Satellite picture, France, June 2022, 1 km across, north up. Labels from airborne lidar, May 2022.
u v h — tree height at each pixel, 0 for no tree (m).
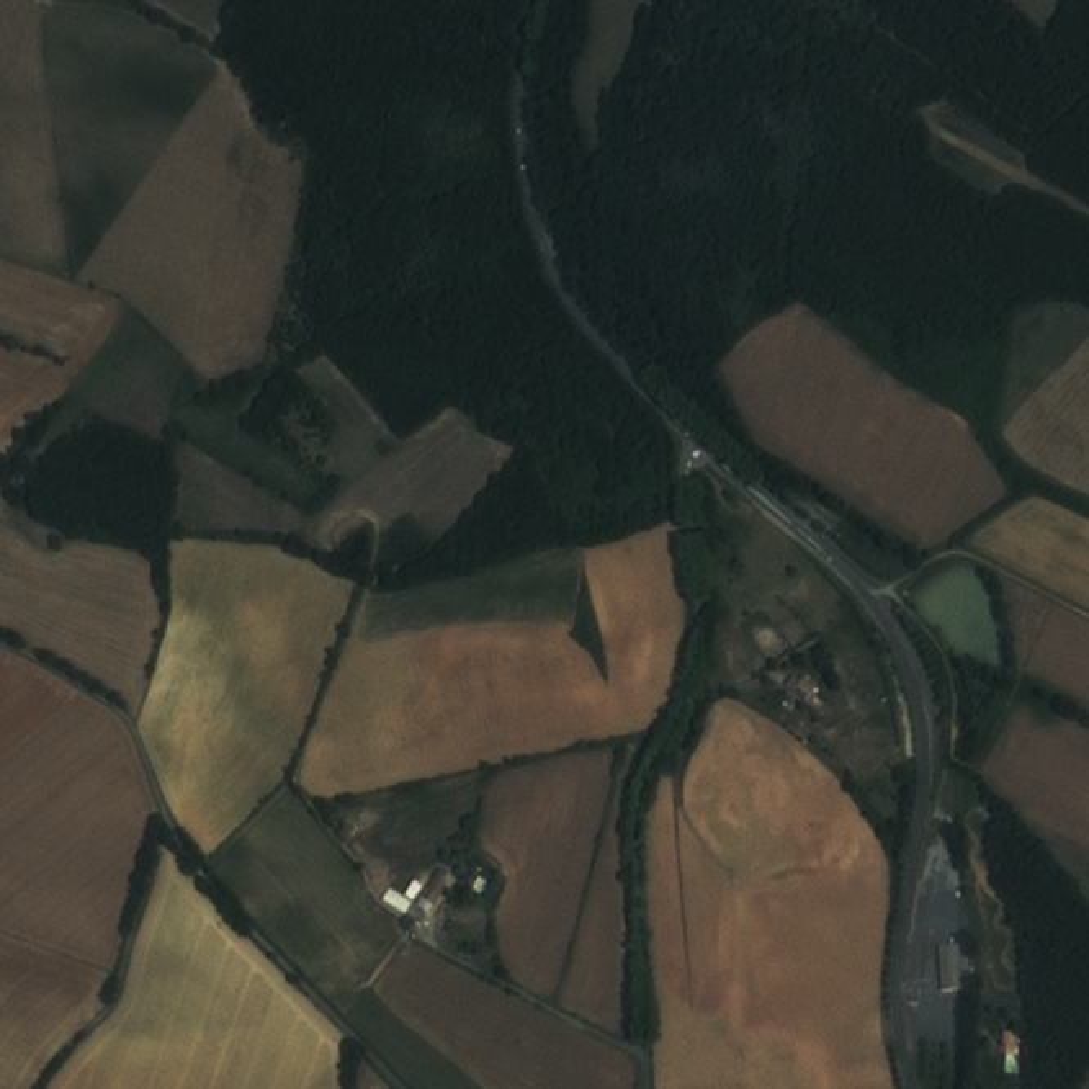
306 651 0
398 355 11
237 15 17
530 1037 0
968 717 22
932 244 15
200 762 0
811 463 0
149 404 0
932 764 0
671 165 6
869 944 0
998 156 0
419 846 0
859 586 0
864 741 0
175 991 0
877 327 6
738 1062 0
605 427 7
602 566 0
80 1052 0
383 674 0
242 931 14
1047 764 0
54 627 0
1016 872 18
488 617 0
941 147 0
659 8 15
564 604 0
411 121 6
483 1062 0
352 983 0
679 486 21
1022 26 16
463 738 0
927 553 11
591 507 9
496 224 15
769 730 0
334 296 18
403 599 0
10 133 0
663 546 0
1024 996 14
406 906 0
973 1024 30
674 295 19
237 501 0
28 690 0
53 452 12
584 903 0
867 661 0
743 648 0
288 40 12
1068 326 0
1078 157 17
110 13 0
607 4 0
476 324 16
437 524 0
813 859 0
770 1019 0
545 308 6
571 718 0
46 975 0
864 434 0
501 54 13
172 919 0
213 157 0
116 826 0
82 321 0
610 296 31
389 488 0
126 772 0
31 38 0
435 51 17
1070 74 18
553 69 14
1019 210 14
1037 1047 17
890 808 0
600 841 6
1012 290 13
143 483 18
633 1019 24
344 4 11
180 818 0
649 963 13
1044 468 0
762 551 0
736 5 18
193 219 0
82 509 16
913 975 0
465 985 0
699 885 0
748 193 10
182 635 0
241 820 0
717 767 0
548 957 0
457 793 0
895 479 0
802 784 0
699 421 32
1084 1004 17
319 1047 0
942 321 14
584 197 23
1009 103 17
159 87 0
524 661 0
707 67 10
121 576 0
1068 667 0
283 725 0
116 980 13
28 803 0
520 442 8
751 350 0
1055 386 0
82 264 0
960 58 17
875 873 0
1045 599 0
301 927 0
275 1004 0
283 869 0
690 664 19
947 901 0
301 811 0
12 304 0
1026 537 0
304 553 14
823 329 0
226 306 0
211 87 0
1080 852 0
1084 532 0
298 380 9
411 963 0
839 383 0
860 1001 0
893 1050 8
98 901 0
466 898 7
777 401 0
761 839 0
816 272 20
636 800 10
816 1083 0
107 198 0
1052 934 17
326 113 9
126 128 0
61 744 0
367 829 0
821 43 13
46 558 0
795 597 0
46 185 0
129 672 0
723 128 12
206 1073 0
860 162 19
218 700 0
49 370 0
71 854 0
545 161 23
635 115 17
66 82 0
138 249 0
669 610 0
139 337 0
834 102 12
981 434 7
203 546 0
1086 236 16
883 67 10
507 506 20
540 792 0
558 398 17
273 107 13
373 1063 7
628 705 0
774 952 0
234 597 0
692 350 23
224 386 10
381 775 0
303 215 10
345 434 0
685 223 17
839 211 20
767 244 15
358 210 10
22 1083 0
